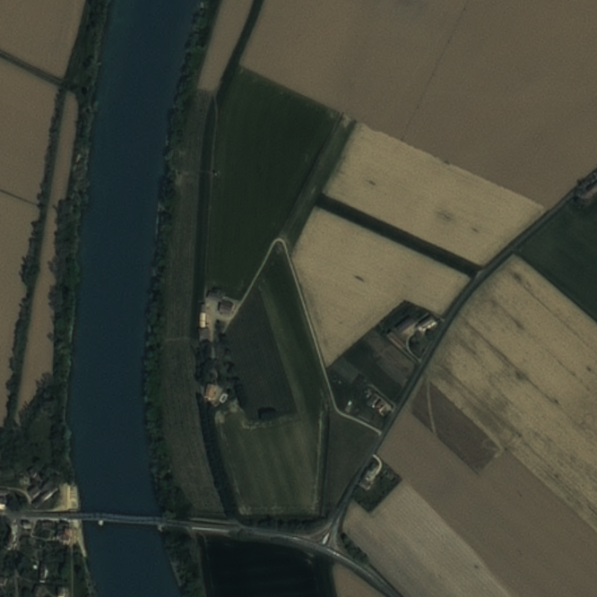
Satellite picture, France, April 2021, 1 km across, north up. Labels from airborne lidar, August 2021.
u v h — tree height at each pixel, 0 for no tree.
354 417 0
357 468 0
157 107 0
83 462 0
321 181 0
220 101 0
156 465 12
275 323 0
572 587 0
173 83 0
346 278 0
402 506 0
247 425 0
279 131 0
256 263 0
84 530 0
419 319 0
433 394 0
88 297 0
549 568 0
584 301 0
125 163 0
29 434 15
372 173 0
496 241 0
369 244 0
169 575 0
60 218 13
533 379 0
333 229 0
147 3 0
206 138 0
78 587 0
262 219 0
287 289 0
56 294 16
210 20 7
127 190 0
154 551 0
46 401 10
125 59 0
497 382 0
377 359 0
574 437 0
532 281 0
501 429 0
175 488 17
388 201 0
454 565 0
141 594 0
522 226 0
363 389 0
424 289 0
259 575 0
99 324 0
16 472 11
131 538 0
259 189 0
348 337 0
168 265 8
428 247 0
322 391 0
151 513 0
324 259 0
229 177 0
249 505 0
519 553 0
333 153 0
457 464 0
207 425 15
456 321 0
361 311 0
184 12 0
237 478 0
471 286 0
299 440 0
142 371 0
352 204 0
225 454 0
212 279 0
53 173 11
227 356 8
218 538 0
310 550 0
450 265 0
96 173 0
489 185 0
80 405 0
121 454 0
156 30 0
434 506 0
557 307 0
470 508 0
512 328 0
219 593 0
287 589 0
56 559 8
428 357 0
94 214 0
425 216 0
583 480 0
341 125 0
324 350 0
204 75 0
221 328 13
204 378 12
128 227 0
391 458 0
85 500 0
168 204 16
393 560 0
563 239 0
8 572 9
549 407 0
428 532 0
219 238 0
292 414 0
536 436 0
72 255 12
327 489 0
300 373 0
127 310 0
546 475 0
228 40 0
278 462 0
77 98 9
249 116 0
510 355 0
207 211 0
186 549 26
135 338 0
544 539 0
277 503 0
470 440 0
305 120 0
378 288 0
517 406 0
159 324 14
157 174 0
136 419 0
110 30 0
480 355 0
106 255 0
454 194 0
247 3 0
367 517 0
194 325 0
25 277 16
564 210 0
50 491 0
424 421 0
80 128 17
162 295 17
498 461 0
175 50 0
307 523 8
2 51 0
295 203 0
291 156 0
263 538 0
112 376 0
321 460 0
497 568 0
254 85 0
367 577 0
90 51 0
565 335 0
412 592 0
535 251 0
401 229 0
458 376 0
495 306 0
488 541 0
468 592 0
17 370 13
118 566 0
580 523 0
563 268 0
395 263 0
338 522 0
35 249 15
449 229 0
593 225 0
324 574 0
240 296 0
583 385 0
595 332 0
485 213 0
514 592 0
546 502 0
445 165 0
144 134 0
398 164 0
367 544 0
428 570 0
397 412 0
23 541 8
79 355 0
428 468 0
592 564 0
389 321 6
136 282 0
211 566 0
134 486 0
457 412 0
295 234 0
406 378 0
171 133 8
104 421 0
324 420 0
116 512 0
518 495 0
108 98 0
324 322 0
